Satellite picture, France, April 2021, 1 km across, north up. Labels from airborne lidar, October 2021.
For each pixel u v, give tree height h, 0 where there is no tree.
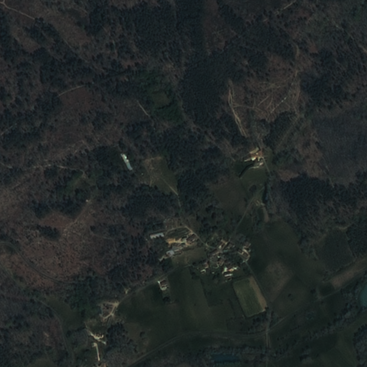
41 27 26
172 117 19
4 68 10
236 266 10
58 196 7
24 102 12
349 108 8
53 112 21
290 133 21
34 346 21
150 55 16
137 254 13
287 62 25
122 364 22
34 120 13
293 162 19
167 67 11
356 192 19
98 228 9
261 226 14
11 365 30
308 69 12
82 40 0
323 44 14
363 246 16
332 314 0
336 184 14
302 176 15
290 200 19
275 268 0
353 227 14
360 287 8
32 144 23
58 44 25
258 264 0
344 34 14
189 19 16
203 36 25
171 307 0
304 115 19
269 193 19
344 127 15
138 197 25
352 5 15
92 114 15
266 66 23
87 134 15
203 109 24
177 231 0
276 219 18
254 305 0
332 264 17
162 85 16
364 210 18
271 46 28
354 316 21
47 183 10
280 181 7
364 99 11
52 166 15
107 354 19
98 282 19
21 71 19
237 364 15
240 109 9
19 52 21
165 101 0
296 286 0
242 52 21
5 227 14
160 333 0
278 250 0
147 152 22
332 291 0
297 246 0
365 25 22
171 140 30
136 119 0
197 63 20
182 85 19
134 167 13
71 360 23
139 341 0
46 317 16
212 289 0
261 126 20
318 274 0
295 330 10
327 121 15
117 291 28
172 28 21
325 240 9
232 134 23
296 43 19
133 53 14
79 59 18
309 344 0
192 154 28
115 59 10
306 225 14
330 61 21
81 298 20
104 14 14
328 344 0
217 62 26
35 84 11
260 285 0
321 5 14
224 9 18
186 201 6
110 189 15
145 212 23
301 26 11
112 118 15
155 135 23
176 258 0
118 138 9
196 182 17
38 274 0
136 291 17
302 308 0
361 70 19
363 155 16
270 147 16
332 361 0
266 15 13
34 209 23
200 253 0
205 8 24
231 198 0
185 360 13
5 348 10
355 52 11
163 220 12
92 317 19
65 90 11
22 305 17
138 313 0
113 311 0
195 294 0
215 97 22
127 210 14
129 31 21
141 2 9
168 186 0
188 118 21
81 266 16
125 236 14
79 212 23
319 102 21
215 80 23
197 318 0
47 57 26
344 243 14
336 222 12
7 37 28
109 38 8
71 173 9
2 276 11
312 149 22
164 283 0
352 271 0
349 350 0
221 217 16
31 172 9
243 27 19
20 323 23
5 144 19
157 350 0
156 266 16
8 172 9
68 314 0
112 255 9
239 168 0
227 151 24
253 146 19
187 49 18
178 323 0
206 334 0
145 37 21
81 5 16
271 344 0
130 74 17
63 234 0
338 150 16
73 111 8
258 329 19
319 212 17
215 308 0
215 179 26
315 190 18
